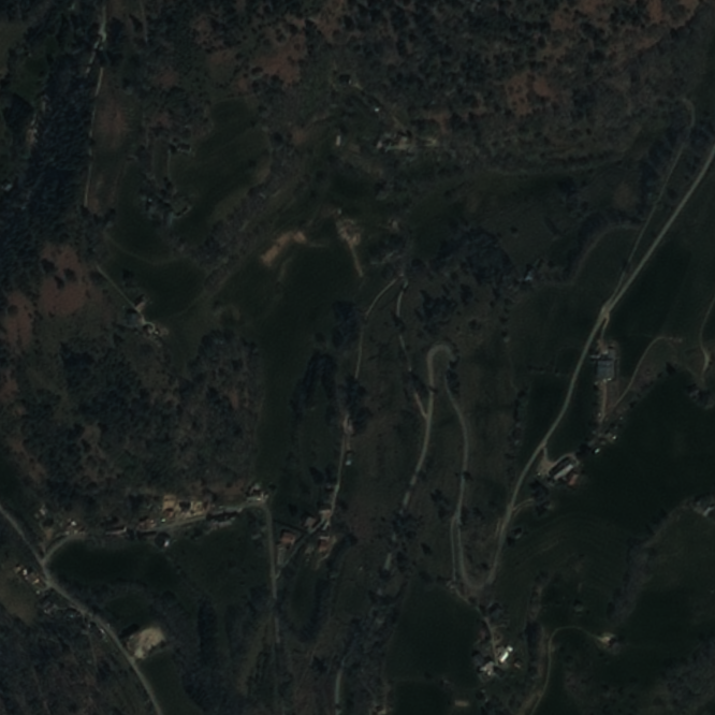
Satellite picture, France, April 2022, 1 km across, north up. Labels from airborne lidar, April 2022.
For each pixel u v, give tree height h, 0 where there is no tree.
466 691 0
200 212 0
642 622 0
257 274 0
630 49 6
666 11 7
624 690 6
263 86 12
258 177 0
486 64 8
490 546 0
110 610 21
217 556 0
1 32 0
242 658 24
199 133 14
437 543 0
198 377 20
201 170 0
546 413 0
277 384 0
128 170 0
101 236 12
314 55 19
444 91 9
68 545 0
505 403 0
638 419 0
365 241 0
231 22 8
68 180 27
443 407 0
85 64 26
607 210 0
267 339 0
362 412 22
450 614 0
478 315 0
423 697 0
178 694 0
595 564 0
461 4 18
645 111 19
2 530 20
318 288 0
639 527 0
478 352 0
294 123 16
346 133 19
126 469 14
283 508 0
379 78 17
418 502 0
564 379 0
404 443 0
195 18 8
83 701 20
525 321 0
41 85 10
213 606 22
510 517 0
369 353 0
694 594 0
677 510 0
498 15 17
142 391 7
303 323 0
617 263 0
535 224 0
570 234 0
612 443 0
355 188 0
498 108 17
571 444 0
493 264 14
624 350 0
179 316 0
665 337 0
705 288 0
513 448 9
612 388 0
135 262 0
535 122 14
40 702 24
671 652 0
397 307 0
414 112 17
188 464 17
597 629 0
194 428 13
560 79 8
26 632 23
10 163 8
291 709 14
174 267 0
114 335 0
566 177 0
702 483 0
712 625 0
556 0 10
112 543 22
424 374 0
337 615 0
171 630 24
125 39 25
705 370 0
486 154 22
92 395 9
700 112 0
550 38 12
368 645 17
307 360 0
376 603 16
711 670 32
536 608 15
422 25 19
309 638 12
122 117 0
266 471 0
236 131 0
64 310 0
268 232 19
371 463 0
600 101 20
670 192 0
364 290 0
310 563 0
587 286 0
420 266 17
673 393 0
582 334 0
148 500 12
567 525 0
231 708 25
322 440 0
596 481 0
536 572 0
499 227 0
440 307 11
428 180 17
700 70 21
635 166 0
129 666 0
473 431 0
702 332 0
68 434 15
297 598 0
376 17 22
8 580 0
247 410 9
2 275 25
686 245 0
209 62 0
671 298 0
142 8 0
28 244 17
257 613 22
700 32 20
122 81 0
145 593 19
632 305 0
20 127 26
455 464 0
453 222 0
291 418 0
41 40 28
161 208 10
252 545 0
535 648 20
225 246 25
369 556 0
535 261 0
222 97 0
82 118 20
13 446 0
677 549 0
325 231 0
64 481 11
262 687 7
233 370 13
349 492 0
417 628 0
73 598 15
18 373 9
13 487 0
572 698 0
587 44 11
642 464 0
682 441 0
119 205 0
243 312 0
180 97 7
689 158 0
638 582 19
